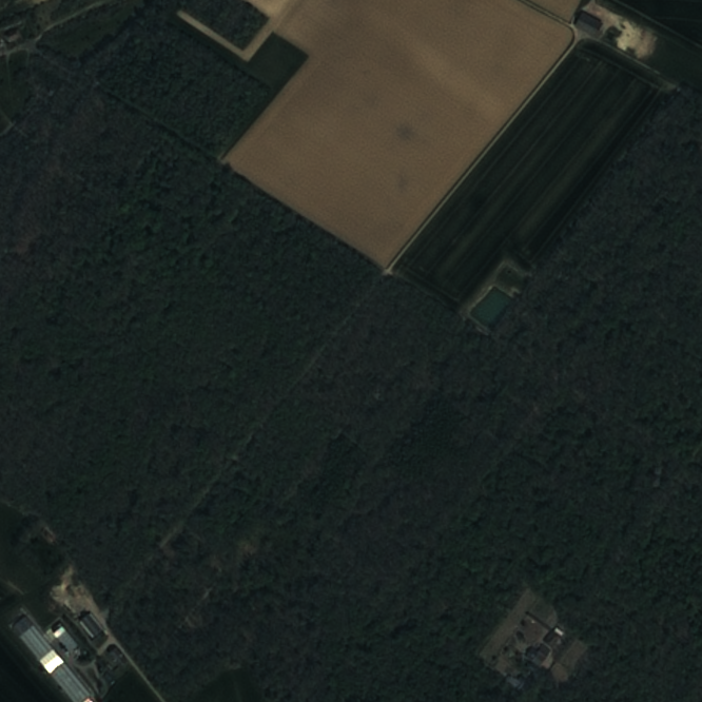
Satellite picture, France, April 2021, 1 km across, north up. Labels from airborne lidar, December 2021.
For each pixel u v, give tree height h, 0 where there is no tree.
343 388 14
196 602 14
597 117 0
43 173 19
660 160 26
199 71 13
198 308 19
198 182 21
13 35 0
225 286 8
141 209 19
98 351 17
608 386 23
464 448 14
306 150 0
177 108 16
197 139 16
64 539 18
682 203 22
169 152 17
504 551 20
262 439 19
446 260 0
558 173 0
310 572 9
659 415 23
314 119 0
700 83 0
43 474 21
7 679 0
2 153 9
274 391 15
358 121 0
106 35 0
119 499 22
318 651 25
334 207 0
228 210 18
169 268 18
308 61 0
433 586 18
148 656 20
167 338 15
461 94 0
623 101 0
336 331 9
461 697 19
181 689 21
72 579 0
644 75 0
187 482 19
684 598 13
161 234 20
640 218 19
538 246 0
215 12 18
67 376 18
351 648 17
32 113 7
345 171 0
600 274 17
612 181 16
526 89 0
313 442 18
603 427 21
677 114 18
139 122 17
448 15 0
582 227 16
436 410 20
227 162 0
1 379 20
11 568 0
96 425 19
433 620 16
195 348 17
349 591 15
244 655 18
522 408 7
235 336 21
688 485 19
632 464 8
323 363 13
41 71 7
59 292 11
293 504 18
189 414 19
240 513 11
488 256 0
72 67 12
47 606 0
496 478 13
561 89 0
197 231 18
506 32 0
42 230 12
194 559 12
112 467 20
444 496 17
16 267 20
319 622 17
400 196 0
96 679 0
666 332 18
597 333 22
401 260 0
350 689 23
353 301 18
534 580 23
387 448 17
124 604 11
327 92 0
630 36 0
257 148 0
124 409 17
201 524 20
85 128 17
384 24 0
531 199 0
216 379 18
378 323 19
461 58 0
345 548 21
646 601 20
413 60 0
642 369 23
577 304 17
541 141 0
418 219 0
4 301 24
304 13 0
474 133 0
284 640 17
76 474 18
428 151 0
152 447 20
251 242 17
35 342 22
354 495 21
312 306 18
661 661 22
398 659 17
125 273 24
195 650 19
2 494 20
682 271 23
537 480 20
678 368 21
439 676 13
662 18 0
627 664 14
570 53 0
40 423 19
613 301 14
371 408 9
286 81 0
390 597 21
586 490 22
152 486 22
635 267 17
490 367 13
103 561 23
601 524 21
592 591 27
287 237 15
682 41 0
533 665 0
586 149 0
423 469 16
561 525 21
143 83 15
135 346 17
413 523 19
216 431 22
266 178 0
